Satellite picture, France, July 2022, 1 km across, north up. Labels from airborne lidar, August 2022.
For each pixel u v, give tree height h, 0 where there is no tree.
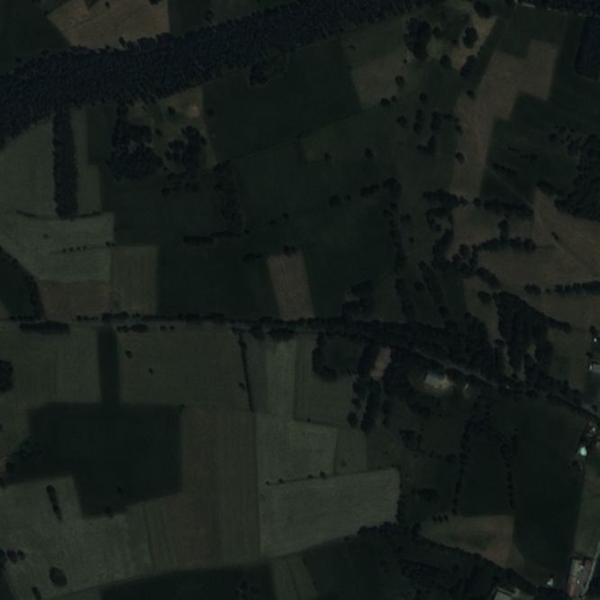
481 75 0
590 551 0
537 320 23
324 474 10
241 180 0
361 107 0
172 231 0
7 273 0
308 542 0
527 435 0
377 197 0
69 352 0
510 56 0
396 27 0
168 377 0
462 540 0
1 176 0
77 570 0
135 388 0
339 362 0
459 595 18
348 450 0
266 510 0
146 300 0
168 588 0
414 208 0
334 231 0
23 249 0
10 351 0
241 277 0
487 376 15
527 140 0
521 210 18
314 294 0
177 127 0
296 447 0
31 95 22
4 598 0
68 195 20
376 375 0
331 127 0
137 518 0
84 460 0
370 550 0
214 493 0
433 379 0
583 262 0
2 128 24
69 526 0
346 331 15
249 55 22
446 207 19
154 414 0
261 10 0
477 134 0
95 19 0
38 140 0
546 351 13
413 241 8
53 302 0
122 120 8
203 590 0
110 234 0
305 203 0
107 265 0
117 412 0
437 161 0
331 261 0
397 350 19
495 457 0
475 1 0
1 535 0
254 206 0
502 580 12
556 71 0
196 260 0
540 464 0
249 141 0
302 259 0
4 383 11
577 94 0
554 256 0
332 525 0
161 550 0
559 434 0
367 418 17
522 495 0
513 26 0
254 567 0
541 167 0
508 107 0
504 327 22
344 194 0
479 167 0
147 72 23
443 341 17
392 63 0
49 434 0
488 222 0
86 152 0
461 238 0
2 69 0
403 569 10
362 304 18
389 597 0
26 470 0
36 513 0
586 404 0
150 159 13
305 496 0
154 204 0
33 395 0
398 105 0
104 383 0
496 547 0
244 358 7
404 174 0
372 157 19
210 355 0
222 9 0
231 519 0
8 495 0
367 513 0
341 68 0
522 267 0
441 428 0
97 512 0
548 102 0
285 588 0
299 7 20
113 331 0
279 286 0
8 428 0
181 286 0
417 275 0
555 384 18
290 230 0
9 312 0
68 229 0
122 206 0
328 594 0
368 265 0
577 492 0
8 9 0
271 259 0
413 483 0
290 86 0
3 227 0
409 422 0
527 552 0
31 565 0
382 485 0
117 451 0
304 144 0
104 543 0
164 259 0
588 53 22
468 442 12
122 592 0
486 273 18
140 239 0
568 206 15
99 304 0
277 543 0
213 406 0
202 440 0
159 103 0
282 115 0
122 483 0
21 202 0
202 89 0
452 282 0
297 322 8
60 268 0
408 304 15
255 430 0
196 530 0
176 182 13
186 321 15
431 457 9
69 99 23
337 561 0
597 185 16
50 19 0
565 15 0
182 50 26
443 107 0
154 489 0
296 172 0
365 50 0
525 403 0
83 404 0
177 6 0
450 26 0
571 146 11
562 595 9
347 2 24
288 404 0
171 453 0
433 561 0
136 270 0
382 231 0
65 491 0
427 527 0
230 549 0
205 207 0
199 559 0
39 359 0
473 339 12
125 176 14
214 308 0
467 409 0
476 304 0
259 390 0
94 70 23
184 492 0
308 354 0
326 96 0
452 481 0
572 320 0
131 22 0
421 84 0
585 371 0
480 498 0
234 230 10
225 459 0
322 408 0
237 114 0
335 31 19
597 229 0
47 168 0
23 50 0
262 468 0
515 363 20
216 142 0
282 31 20
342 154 0
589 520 0
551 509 0
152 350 0
